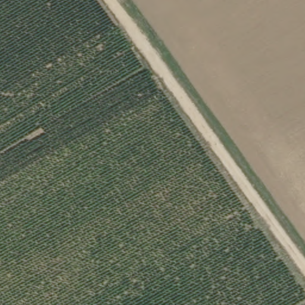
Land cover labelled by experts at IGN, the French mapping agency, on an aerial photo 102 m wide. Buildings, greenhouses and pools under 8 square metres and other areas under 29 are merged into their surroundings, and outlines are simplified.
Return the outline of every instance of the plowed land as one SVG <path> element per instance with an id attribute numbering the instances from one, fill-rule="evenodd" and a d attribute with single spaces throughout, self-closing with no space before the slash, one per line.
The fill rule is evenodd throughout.
<path id="1" fill-rule="evenodd" d="M 305 0 L 132 0 L 305 241 Z"/>

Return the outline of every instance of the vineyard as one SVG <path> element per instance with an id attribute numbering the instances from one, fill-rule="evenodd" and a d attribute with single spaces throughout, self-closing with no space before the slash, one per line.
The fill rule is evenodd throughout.
<path id="1" fill-rule="evenodd" d="M 276 239 L 266 220 L 260 216 L 247 195 L 239 188 L 229 170 L 210 147 L 210 143 L 183 111 L 162 77 L 151 69 L 143 52 L 132 43 L 126 31 L 120 26 L 116 14 L 108 8 L 104 0 L 0 0 L 0 305 L 305 305 L 305 275 L 288 255 L 284 245 Z"/>

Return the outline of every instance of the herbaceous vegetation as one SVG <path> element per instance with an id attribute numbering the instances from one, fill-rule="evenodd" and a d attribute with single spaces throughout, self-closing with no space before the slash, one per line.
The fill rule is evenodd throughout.
<path id="1" fill-rule="evenodd" d="M 305 257 L 305 241 L 132 0 L 117 0 L 135 21 L 139 30 L 147 36 L 152 48 L 160 54 L 162 61 L 167 64 L 183 91 L 216 133 L 237 167 L 242 170 L 245 178 Z"/>

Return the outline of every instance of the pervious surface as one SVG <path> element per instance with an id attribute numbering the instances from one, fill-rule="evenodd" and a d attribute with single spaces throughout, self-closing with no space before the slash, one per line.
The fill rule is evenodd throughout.
<path id="1" fill-rule="evenodd" d="M 143 52 L 151 69 L 162 77 L 183 111 L 210 143 L 210 147 L 229 170 L 239 188 L 247 195 L 260 216 L 266 220 L 276 239 L 284 245 L 288 255 L 305 275 L 305 257 L 245 178 L 242 170 L 237 167 L 216 133 L 183 91 L 167 64 L 162 61 L 160 54 L 152 48 L 147 36 L 139 30 L 135 21 L 117 0 L 104 0 L 108 8 L 116 14 L 120 26 L 126 31 L 132 43 Z"/>

